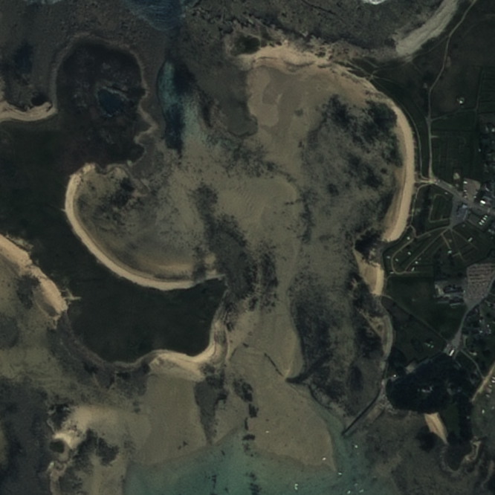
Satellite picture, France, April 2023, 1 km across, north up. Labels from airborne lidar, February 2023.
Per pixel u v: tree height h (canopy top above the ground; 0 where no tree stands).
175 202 0
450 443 10
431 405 19
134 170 0
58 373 0
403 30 0
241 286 0
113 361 0
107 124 0
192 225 0
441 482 0
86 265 0
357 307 0
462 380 16
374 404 0
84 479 0
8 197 0
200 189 0
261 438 0
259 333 0
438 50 0
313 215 0
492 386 0
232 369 0
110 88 0
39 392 0
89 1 0
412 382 16
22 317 0
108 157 0
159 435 0
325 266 0
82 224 0
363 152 0
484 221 0
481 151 7
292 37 0
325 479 0
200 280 0
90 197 0
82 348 0
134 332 0
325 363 0
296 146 0
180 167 0
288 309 0
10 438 0
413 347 9
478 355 0
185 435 0
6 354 0
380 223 0
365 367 0
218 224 0
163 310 0
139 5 0
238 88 0
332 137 0
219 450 0
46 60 0
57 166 0
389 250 0
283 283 0
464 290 0
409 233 0
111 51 0
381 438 0
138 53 0
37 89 0
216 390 0
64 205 0
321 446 0
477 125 0
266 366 0
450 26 0
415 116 0
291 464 0
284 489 0
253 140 0
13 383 0
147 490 0
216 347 0
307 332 0
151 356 0
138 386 0
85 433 0
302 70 0
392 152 0
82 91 0
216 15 0
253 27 0
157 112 0
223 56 0
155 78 0
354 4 0
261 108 0
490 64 0
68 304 0
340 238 0
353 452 0
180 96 0
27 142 0
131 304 0
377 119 0
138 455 0
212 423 0
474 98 0
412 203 0
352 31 0
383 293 0
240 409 0
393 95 0
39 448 0
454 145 0
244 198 0
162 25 0
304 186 0
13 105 0
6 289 0
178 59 0
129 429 0
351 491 0
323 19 0
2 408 0
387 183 0
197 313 0
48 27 0
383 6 0
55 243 0
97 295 0
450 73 0
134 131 0
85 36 0
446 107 0
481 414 0
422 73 0
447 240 0
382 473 0
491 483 0
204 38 0
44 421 0
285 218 0
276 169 0
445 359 14
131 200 0
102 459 0
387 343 0
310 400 0
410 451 0
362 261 0
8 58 0
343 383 0
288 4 0
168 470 0
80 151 0
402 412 0
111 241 0
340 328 0
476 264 0
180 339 0
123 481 0
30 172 0
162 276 0
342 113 0
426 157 0
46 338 0
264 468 0
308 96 0
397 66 0
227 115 0
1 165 0
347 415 0
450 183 0
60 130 0
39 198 0
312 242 0
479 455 0
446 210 0
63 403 0
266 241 0
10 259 0
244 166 0
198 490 0
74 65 0
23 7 0
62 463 0
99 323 0
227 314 0
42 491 0
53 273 0
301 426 0
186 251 0
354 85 0
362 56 0
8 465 0
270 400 0
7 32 0
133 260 0
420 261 0
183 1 0
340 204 0
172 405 0
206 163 0
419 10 0
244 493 0
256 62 0
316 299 0
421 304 0
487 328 0
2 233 0
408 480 0
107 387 0
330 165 0
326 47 0
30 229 0
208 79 0
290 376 0
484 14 0
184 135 0
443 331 0
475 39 0
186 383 0
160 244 0
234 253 0
